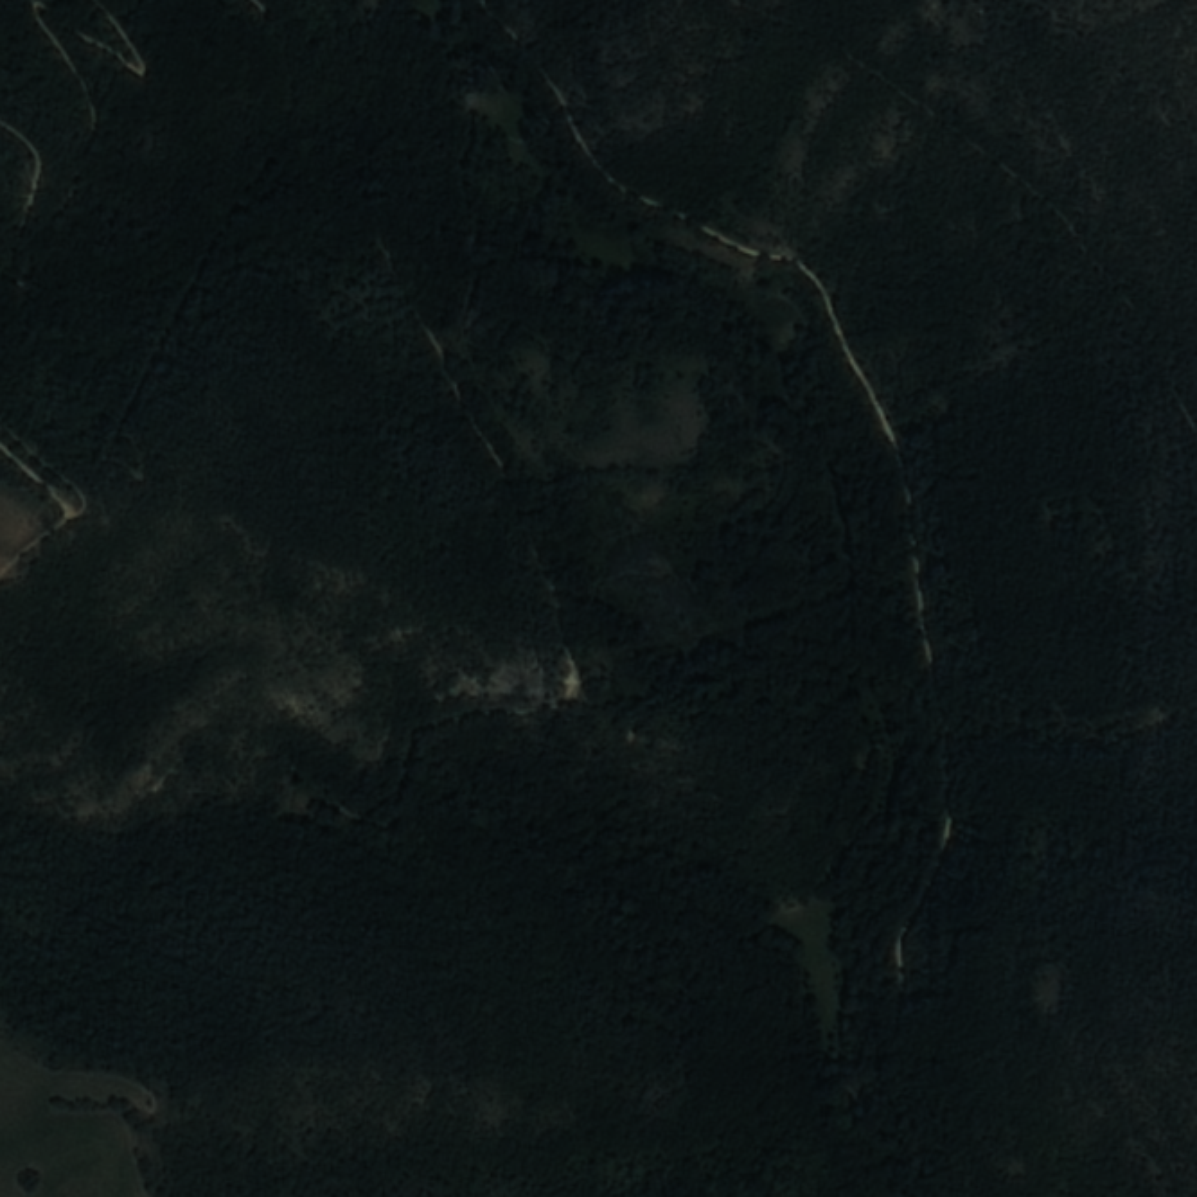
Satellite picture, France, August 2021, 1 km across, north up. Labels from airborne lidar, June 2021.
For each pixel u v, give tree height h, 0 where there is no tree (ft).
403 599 24
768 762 42
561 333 42
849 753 38
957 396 36
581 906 77
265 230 36
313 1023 27
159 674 27
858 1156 61
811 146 18
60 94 26
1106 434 31
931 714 52
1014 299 35
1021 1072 22
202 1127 23
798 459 39
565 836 47
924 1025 61
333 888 46
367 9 22
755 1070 63
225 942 28
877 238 28
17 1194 0
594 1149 31
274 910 22
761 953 75
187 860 39
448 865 64
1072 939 25
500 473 53
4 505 0
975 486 41
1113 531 41
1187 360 22
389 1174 33
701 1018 58
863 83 21
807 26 28
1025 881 20
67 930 45
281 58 48
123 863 44
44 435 31
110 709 47
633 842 45
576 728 24
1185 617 35
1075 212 20
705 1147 41
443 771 61
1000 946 26
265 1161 40
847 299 19
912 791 73
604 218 43
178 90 34
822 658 69
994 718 47
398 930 30
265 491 27
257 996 24
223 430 22
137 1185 0
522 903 47
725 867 52
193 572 19
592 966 42
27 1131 0
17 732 22
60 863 33
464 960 26
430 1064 26
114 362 29
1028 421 31
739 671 71
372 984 32
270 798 37
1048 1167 25
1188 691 20
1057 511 24
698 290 108
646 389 21
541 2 27
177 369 44
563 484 39
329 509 25
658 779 21
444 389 32
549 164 49
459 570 44
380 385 51
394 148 51
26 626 25
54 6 46
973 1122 34
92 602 23
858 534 97
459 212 59
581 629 43
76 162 37
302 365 34
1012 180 20
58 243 67
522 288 73
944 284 34
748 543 60
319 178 67
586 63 29
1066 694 28
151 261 59
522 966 34
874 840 65
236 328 39
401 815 49
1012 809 42
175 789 27
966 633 28
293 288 29
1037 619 37
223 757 23
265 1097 23
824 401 32
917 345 24
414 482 34
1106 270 24
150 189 44
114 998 27
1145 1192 23
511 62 72
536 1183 20
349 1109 18
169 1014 23
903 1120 71
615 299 73
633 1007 42
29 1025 26
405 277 53
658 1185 32
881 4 21
